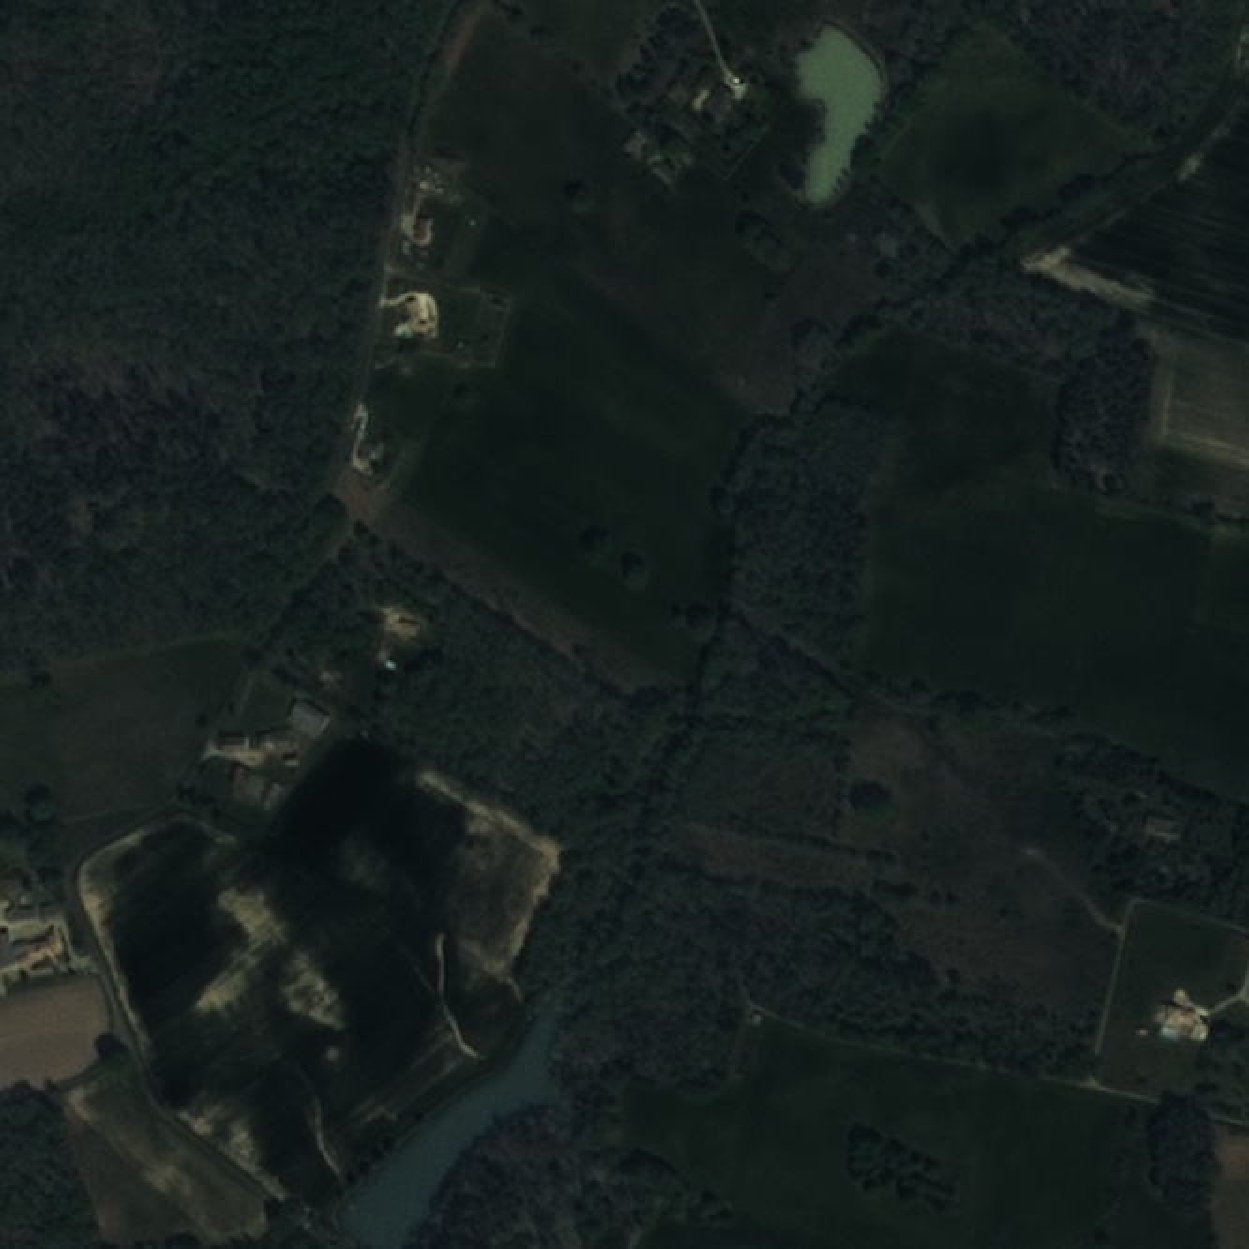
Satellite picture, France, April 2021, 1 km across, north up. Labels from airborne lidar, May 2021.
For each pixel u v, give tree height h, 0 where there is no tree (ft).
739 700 50
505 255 0
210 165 59
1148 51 66
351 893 0
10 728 0
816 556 47
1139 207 0
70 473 55
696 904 66
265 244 40
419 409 0
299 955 0
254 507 62
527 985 46
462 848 0
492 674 55
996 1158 0
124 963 0
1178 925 0
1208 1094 35
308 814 0
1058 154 0
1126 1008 0
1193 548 0
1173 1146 81
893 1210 0
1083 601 0
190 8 53
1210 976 0
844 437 57
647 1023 74
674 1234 0
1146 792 26
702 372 0
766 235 53
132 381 51
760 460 58
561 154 0
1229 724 0
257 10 88
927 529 0
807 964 61
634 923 72
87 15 36
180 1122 0
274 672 35
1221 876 24
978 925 0
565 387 0
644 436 0
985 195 0
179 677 0
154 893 0
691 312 0
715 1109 0
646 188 0
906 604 0
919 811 0
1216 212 0
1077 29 72
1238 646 0
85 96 31
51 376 39
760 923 71
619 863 62
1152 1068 0
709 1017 57
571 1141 51
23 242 46
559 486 0
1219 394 0
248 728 0
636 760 83
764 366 0
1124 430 69
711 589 0
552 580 0
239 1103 0
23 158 45
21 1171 54
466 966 0
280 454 46
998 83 0
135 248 52
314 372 56
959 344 36
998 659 0
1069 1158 0
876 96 0
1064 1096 0
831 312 0
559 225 0
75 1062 0
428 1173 0
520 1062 0
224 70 61
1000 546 0
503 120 0
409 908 0
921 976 55
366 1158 0
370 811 0
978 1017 28
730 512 60
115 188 48
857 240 0
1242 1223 0
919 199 0
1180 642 0
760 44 0
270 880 0
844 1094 0
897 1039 56
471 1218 73
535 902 0
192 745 0
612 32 0
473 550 0
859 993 42
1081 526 0
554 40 18
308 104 65
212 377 60
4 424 55
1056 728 33
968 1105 0
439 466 0
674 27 47
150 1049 0
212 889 0
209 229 73
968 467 0
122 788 0
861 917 47
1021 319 54
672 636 0
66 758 0
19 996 0
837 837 26
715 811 19
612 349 0
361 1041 0
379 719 41
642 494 0
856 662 32
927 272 55
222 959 0
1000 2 65
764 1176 0
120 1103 0
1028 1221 0
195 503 65
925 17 49
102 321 80
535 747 30
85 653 59
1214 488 0
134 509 58
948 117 0
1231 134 0
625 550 0
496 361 0
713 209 0
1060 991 0
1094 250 0
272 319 50
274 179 48
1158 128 72
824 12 0
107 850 0
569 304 0
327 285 61
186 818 0
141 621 73
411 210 0
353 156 36
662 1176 61
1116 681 0
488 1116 0
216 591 71
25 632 67
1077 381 26
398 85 51
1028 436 0
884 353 0
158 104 31
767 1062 0
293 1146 0
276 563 76
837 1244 0
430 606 24
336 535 68
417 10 48
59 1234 62
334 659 51
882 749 0
